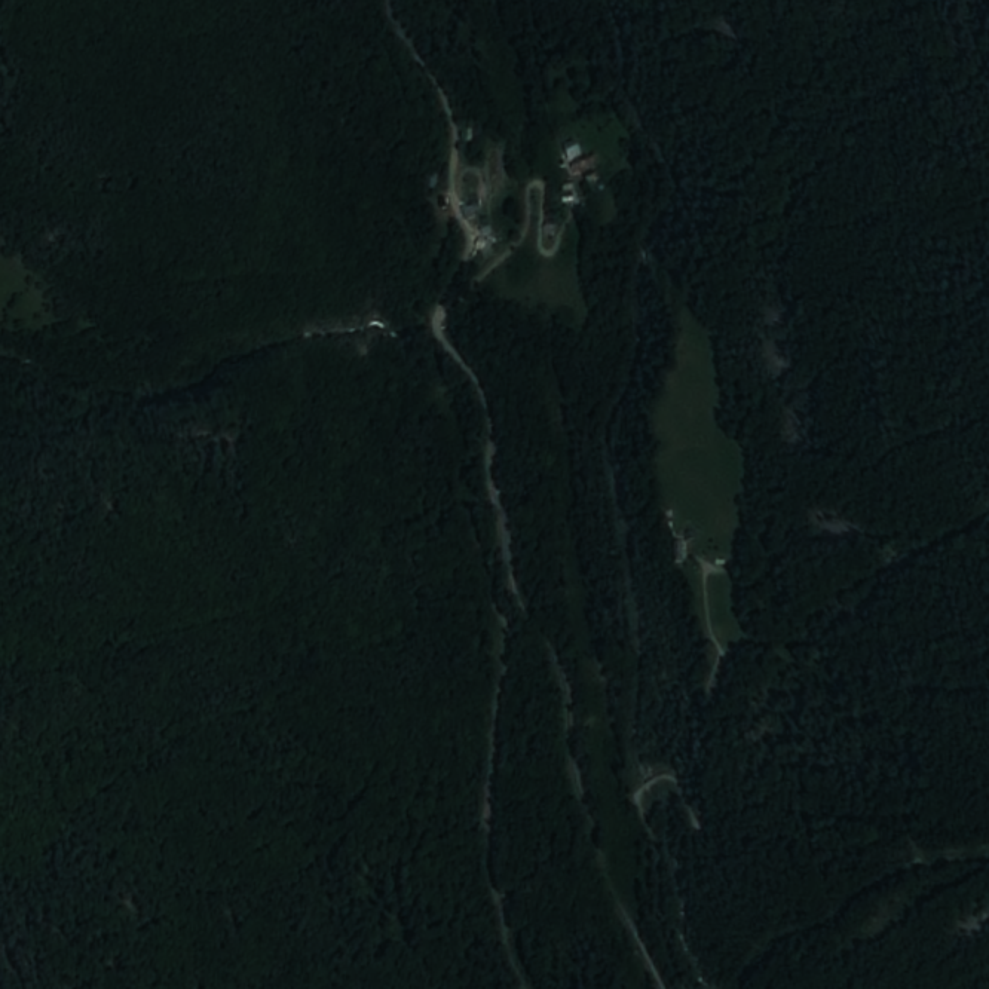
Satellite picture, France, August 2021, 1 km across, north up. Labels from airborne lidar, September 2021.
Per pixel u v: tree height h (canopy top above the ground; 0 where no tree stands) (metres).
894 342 24
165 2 29
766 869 20
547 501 26
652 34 38
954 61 21
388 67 17
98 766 32
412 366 22
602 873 25
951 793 25
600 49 22
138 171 29
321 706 28
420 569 26
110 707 25
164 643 27
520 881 26
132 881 26
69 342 8
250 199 22
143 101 30
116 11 30
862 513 21
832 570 23
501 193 0
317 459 30
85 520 27
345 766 23
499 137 15
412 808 27
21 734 13
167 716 24
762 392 20
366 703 28
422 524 29
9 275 0
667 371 12
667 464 0
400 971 34
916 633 24
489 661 16
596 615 21
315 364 19
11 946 33
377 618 26
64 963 27
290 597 25
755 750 25
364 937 31
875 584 9
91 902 31
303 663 28
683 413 0
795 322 18
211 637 27
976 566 27
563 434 6
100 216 21
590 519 24
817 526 6
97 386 21
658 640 9
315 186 28
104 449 18
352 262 26
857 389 26
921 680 19
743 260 21
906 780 23
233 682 30
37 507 28
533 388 24
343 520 22
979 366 22
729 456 0
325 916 26
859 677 22
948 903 19
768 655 26
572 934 29
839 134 31
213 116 28
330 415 25
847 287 25
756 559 22
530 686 21
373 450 28
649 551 19
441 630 28
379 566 20
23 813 26
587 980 6
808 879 23
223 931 23
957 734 29
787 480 31
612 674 29
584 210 17
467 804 28
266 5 26
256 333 14
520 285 0
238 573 25
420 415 24
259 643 29
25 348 14
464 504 6
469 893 20
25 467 26
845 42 20
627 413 17
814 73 26
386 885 30
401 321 13
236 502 19
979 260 23
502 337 27
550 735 15
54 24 23
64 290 14
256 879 31
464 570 25
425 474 27
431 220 15
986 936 12
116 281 19
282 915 25
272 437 24
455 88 23
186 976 28
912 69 12
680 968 23
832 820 20
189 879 22
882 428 28
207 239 23
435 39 23
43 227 20
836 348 25
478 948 15
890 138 23
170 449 22
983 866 8
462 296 24
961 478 17
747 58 22
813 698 27
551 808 30
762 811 26
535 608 17
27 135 29
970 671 23
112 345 14
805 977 24
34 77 25
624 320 27
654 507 21
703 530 0
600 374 16
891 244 19
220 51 27
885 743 7
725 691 19
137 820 28
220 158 28
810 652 25
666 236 26
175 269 27
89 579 25
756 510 19
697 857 6
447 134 13
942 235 25
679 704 17
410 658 34
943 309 20
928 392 23
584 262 13
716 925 14
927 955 19
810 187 34
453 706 27
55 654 25
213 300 18
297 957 23
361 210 26
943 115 25
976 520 6
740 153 27
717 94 30
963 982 15
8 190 28
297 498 23
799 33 24
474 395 16
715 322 20
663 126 29
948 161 25
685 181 34
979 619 23
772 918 15
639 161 22
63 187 28
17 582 24
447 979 25
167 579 24
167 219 26
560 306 0
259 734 27
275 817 26
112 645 27
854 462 25
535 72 19
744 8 26
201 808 28
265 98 23
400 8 20
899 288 26
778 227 23
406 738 27
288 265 21
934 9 24
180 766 30
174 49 31
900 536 26
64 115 26
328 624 29
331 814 15
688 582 7
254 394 21
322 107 26
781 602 9
